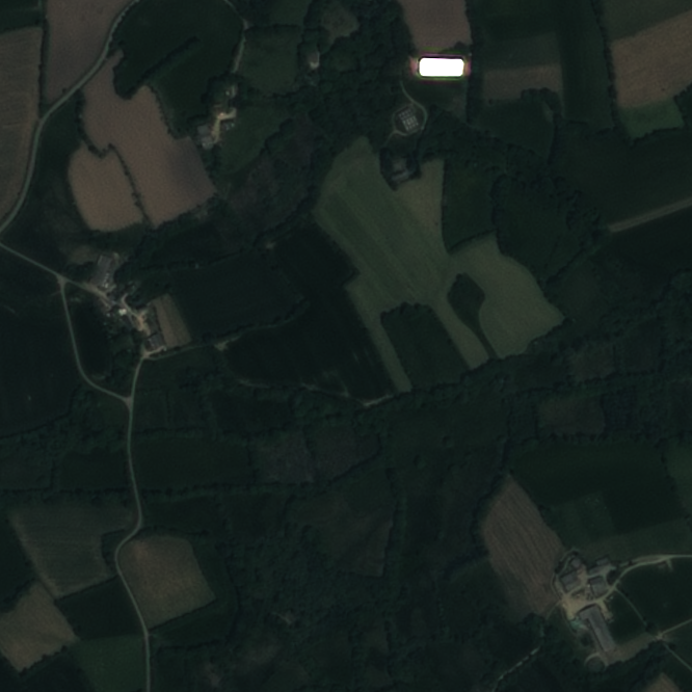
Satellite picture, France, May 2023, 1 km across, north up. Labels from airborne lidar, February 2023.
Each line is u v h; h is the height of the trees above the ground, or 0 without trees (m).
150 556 0
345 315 0
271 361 0
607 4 0
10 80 0
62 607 11
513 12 0
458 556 0
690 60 0
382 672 0
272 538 7
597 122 0
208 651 13
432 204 0
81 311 0
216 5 0
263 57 0
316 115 14
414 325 0
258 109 0
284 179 10
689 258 0
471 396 6
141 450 0
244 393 7
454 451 0
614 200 0
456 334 0
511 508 0
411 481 0
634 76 0
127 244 0
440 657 0
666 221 0
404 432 0
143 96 0
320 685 11
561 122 14
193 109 0
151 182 0
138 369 0
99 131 0
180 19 0
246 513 0
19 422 0
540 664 0
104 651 0
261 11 18
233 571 17
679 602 0
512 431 7
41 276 0
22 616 0
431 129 7
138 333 12
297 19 0
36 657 0
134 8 8
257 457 15
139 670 0
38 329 0
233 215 8
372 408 9
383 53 15
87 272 16
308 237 0
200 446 0
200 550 8
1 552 0
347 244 0
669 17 0
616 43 0
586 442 14
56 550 0
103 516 0
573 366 8
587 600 0
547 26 0
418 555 6
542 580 0
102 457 0
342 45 17
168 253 0
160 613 0
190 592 0
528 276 0
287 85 0
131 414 0
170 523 0
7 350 0
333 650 0
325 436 0
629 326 8
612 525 0
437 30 0
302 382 0
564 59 0
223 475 0
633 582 0
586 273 0
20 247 0
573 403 0
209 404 7
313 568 10
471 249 0
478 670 0
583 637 0
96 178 0
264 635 0
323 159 13
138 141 0
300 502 10
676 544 0
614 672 16
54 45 0
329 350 0
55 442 10
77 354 0
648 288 0
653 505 0
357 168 0
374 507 0
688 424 0
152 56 0
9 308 0
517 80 0
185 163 0
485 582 0
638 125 0
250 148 0
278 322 12
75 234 0
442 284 0
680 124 0
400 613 0
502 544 0
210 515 0
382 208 0
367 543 0
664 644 8
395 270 0
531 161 20
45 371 0
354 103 8
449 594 0
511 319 0
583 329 0
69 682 0
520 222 0
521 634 0
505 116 0
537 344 10
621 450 0
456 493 0
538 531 0
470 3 9
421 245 0
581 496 0
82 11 0
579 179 0
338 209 0
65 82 0
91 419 11
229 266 0
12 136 0
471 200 0
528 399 14
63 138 0
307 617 11
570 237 0
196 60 0
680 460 0
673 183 0
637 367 0
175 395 0
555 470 0
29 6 0
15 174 0
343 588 7
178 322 0
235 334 11
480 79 12
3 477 0
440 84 0
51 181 0
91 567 0
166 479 0
